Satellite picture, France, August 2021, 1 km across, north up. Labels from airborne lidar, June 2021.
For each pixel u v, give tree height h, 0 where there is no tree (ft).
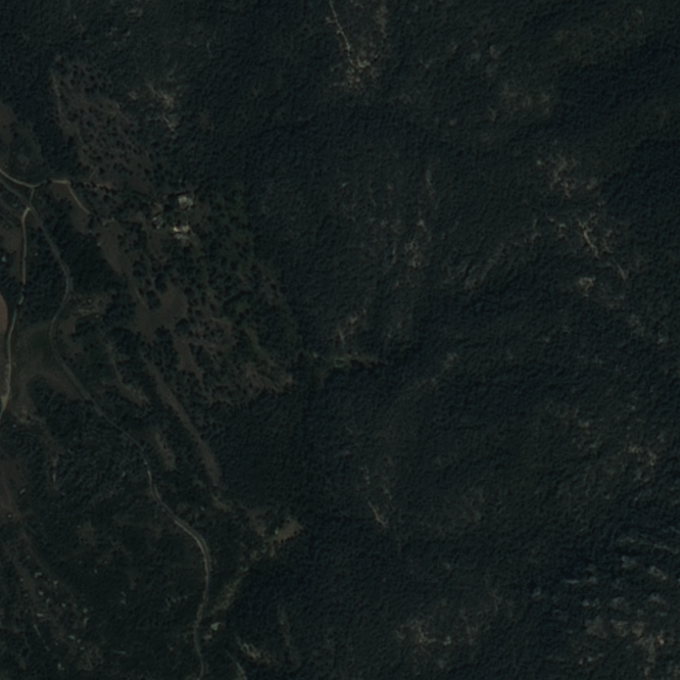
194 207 24
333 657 22
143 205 23
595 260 21
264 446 46
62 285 33
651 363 39
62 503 27
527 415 19
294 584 25
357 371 27
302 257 26
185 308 0
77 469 33
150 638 23
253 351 42
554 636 25
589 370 19
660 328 22
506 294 28
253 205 22
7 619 23
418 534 30
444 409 23
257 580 29
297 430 45
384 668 27
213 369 25
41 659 29
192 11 27
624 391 21
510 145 19
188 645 20
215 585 21
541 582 20
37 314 40
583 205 18
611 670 28
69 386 0
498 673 20
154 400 24
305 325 45
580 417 20
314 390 39
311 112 29
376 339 32
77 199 0
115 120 25
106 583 18
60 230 46
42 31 24
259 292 37
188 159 36
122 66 19
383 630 17
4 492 0
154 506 25
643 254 19
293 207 20
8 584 22
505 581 25
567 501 21
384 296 18
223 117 31
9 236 0
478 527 20
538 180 18
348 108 25
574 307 20
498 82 19
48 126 40
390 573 25
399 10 18
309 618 26
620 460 23
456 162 22
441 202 23
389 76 30
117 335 33
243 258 45
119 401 19
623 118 21
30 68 32
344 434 28
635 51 43
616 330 20
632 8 23
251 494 43
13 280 18
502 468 23
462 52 21
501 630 24
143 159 0
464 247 19
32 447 31
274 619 25
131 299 20
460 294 34
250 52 42
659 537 26
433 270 20
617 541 18
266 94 26
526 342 24
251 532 21
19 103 35
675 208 19
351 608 20
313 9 22
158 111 18
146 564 20
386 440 19
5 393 0
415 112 22
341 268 18
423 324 34
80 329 39
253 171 28
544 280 37
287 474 42
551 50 22
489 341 22
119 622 25
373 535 34
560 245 21
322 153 27
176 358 43
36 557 0
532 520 27
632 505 29
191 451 34
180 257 31
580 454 18
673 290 20
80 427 32
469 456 23
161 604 20
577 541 23
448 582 18
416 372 20
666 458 21
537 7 22
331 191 20
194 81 28
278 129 45
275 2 27
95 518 26
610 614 17
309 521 43
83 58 28
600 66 41
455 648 20
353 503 31
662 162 28
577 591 23
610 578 29
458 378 36
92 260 44
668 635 21
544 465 25
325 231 42
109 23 25
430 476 24
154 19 18
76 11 25
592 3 26
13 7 31
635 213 22
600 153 30
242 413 25
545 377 21
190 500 32
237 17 38
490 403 23
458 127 22
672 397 25
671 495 18
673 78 32
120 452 40
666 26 28
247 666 24
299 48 20
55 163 40
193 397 23
